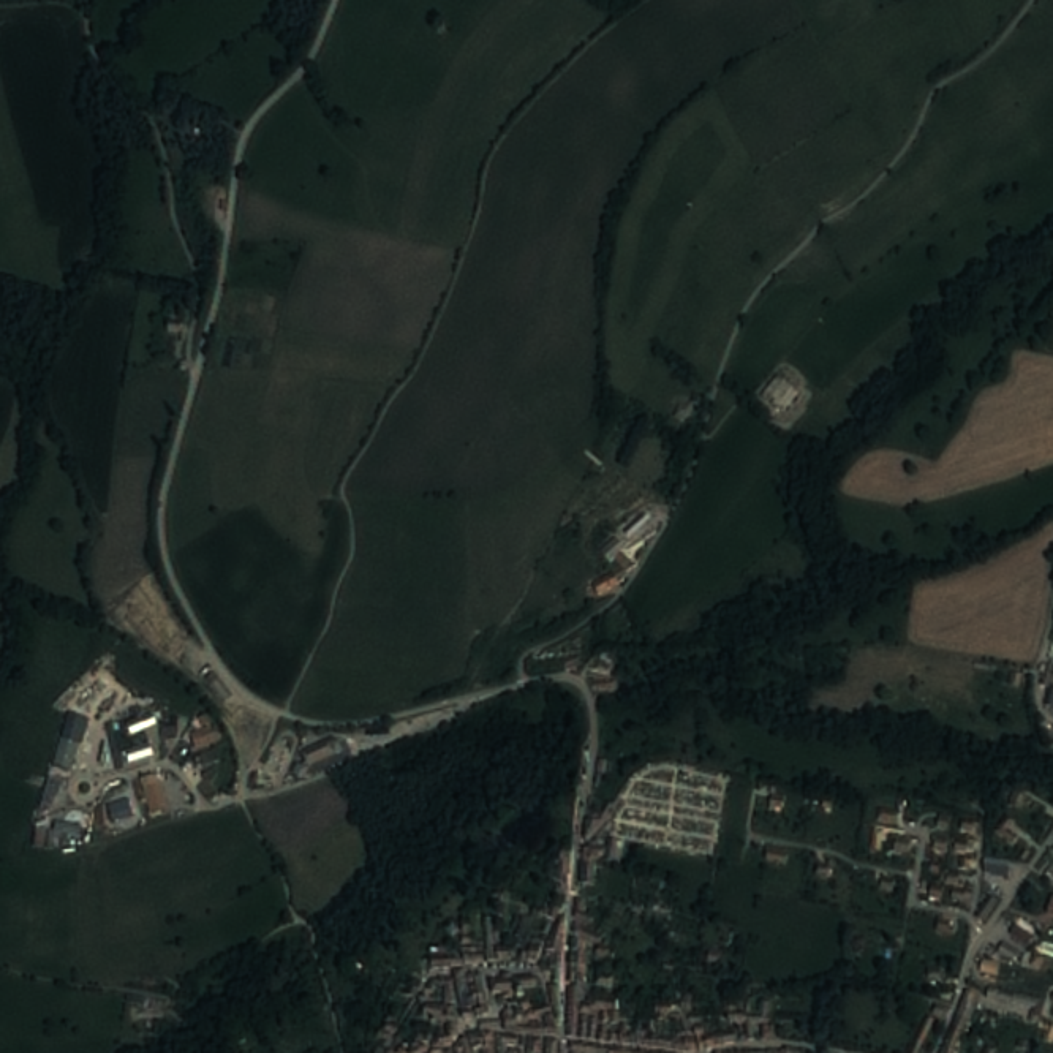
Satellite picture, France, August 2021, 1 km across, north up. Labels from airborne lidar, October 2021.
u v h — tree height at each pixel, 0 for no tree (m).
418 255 0
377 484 0
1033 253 25
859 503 0
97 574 0
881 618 0
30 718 0
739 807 0
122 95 18
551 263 0
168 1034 16
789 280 0
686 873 0
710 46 0
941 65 7
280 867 10
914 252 0
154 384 0
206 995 9
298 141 0
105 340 0
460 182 0
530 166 0
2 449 0
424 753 9
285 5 10
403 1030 5
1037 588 0
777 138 0
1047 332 15
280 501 0
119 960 0
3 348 29
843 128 0
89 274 18
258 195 0
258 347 0
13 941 0
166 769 0
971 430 0
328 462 0
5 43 0
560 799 28
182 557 0
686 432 14
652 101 0
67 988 8
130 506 0
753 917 0
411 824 21
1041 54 0
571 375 0
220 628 0
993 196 10
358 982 6
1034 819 9
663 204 0
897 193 0
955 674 0
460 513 0
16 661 16
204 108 17
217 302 0
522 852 28
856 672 0
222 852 0
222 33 0
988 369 9
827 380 0
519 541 0
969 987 7
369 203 0
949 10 0
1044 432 0
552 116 0
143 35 20
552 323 0
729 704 9
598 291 7
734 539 0
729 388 10
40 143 0
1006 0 0
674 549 0
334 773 13
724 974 14
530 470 0
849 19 0
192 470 0
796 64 0
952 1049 0
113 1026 0
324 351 0
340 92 0
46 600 17
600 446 6
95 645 0
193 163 14
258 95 0
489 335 0
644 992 12
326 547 0
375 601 0
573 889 0
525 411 0
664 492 6
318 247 0
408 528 0
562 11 0
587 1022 0
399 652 0
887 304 0
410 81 0
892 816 0
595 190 0
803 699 11
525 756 33
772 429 7
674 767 0
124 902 0
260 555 0
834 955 0
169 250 0
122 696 0
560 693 14
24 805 0
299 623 0
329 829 0
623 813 0
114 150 15
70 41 0
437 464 0
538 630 7
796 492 21
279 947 15
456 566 0
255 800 0
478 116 0
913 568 16
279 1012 9
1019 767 17
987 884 0
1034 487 0
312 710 0
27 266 0
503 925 19
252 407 0
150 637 0
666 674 21
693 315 0
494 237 0
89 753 0
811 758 0
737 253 0
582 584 0
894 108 0
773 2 0
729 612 23
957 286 24
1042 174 0
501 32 0
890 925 0
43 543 0
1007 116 0
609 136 0
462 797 25
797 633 17
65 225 0
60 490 0
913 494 0
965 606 0
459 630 0
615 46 0
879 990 11
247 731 0
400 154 0
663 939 8
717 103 0
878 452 0
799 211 0
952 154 0
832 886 9
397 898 22
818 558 16
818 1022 16
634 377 0
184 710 0
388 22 0
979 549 25
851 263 0
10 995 0
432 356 0
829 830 0
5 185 0
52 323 29
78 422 0
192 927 0
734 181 0
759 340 0
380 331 0
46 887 0
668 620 0
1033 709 8
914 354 16
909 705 0
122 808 0
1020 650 0
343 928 28
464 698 0
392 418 0
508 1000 8
